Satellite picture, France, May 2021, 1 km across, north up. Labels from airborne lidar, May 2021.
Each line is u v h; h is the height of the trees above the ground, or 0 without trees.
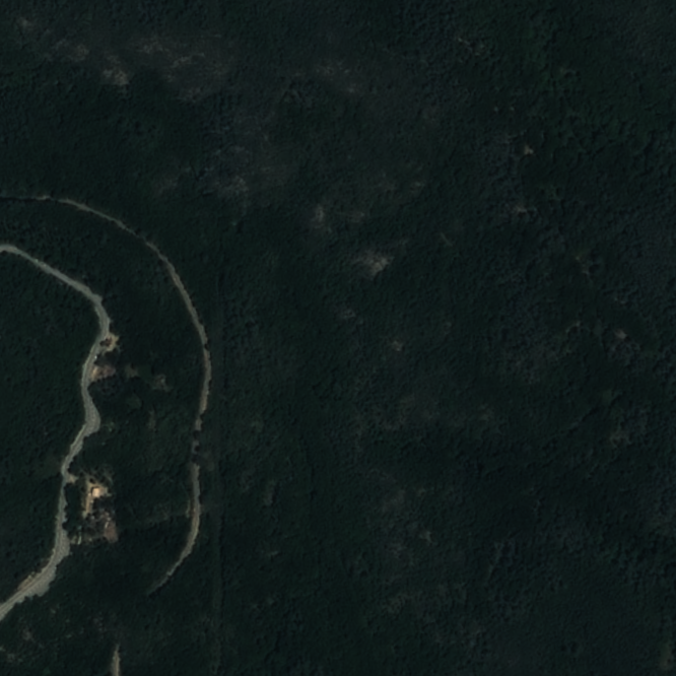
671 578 19
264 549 19
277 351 7
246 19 11
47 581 0
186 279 14
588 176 19
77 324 16
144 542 16
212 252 21
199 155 20
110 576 18
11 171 10
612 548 16
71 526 18
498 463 24
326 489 23
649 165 19
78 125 18
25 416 15
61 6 13
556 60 17
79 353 11
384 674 11
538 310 21
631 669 6
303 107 19
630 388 13
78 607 12
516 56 17
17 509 5
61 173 17
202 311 18
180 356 14
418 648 13
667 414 12
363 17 11
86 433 0
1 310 7
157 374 12
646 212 20
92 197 19
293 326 14
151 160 12
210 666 9
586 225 19
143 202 16
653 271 22
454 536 8
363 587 11
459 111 10
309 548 17
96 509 12
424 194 11
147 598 26
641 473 16
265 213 25
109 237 17
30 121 10
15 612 10
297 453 10
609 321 16
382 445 14
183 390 11
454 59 16
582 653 18
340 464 13
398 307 7
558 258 18
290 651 21
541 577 18
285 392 12
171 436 7
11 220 13
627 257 19
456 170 7
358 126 8
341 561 19
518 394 15
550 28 7
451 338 7
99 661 12
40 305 20
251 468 7
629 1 6
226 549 20
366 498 7
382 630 11
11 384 15
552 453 15
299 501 13
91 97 25
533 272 19
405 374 6
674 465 17
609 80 15
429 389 7
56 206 15
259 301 19
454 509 11
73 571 17
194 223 9
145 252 15
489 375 10
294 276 25
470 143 9
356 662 16
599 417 21
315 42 6
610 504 18
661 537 23
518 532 16
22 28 10
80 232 17
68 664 16
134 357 13
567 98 9
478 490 13
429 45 15
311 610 16
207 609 11
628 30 9
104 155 14
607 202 22
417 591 6
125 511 11
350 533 11
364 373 6
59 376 14
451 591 8
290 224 20
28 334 14
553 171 13
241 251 15
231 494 9
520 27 15
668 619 14
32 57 18
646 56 15
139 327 18
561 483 20
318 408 18
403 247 7
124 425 12
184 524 14
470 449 20
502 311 19
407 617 12
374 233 14
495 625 6
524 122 15
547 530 22
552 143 17
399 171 7
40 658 7
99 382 12
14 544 15
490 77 9
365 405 7
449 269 6
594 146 18
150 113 18
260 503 17
